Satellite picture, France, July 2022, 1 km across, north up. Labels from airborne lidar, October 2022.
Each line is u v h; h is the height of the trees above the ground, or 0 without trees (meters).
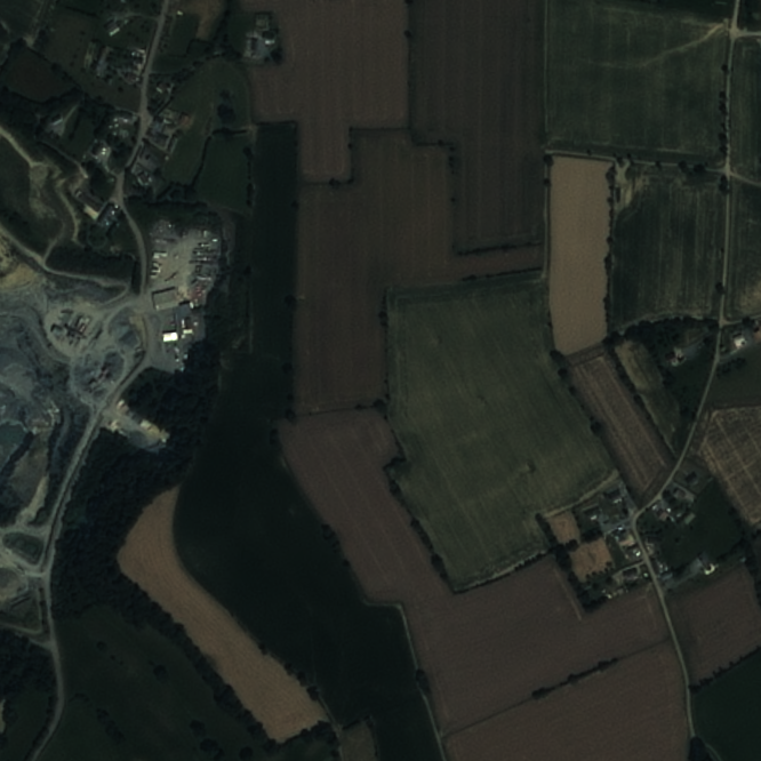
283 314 0
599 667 7
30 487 0
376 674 0
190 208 7
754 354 0
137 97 0
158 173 11
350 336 0
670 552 0
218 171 0
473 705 0
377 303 0
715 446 0
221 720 0
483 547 0
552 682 0
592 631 0
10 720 16
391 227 0
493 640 0
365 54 0
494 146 0
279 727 0
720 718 0
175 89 8
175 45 0
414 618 0
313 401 0
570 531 0
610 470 0
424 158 0
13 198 0
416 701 0
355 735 0
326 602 0
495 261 0
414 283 0
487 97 0
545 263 0
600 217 0
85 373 0
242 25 0
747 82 0
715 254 0
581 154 0
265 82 0
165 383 14
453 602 0
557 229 0
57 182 0
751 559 13
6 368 0
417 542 0
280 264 0
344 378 0
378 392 0
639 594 0
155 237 0
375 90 0
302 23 0
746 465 0
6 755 0
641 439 0
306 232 0
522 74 0
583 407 8
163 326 0
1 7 0
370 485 0
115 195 0
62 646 0
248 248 0
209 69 0
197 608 0
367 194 0
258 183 0
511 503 0
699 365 0
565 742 0
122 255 8
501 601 0
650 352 11
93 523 8
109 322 0
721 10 0
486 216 0
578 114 0
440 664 0
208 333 6
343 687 0
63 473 7
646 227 0
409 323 0
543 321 0
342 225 0
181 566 0
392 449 0
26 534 0
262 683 0
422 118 0
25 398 0
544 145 0
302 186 0
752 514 0
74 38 0
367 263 0
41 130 19
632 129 0
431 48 0
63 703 0
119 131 0
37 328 0
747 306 0
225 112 19
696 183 0
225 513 0
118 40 0
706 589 0
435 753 0
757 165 0
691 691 13
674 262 0
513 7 0
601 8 0
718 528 0
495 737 0
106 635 0
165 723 0
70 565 10
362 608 0
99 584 21
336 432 0
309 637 0
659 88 0
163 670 14
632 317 0
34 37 0
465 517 0
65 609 9
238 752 0
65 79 13
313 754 0
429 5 0
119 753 0
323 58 0
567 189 0
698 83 0
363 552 0
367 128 0
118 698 0
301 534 0
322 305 0
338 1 0
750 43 0
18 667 25
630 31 0
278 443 16
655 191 0
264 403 0
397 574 0
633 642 0
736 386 0
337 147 0
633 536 0
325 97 0
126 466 24
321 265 0
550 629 0
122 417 0
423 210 0
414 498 0
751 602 0
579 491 0
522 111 0
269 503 0
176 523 0
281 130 0
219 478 0
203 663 17
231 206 0
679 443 0
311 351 0
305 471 0
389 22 0
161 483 19
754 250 0
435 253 0
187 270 0
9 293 0
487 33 0
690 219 0
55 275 0
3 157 0
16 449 0
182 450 13
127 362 0
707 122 0
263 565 0
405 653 0
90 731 0
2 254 0
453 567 0
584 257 0
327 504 0
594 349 0
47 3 0
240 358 0
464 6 0
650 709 0
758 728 0
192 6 0
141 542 0
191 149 0
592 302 0
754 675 0
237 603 0
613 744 0
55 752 0
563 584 0
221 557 0
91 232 5
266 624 0
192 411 24
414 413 0
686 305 0
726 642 0
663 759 0
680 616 0
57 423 0
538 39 0
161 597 0
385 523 0
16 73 0
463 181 0
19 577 0
